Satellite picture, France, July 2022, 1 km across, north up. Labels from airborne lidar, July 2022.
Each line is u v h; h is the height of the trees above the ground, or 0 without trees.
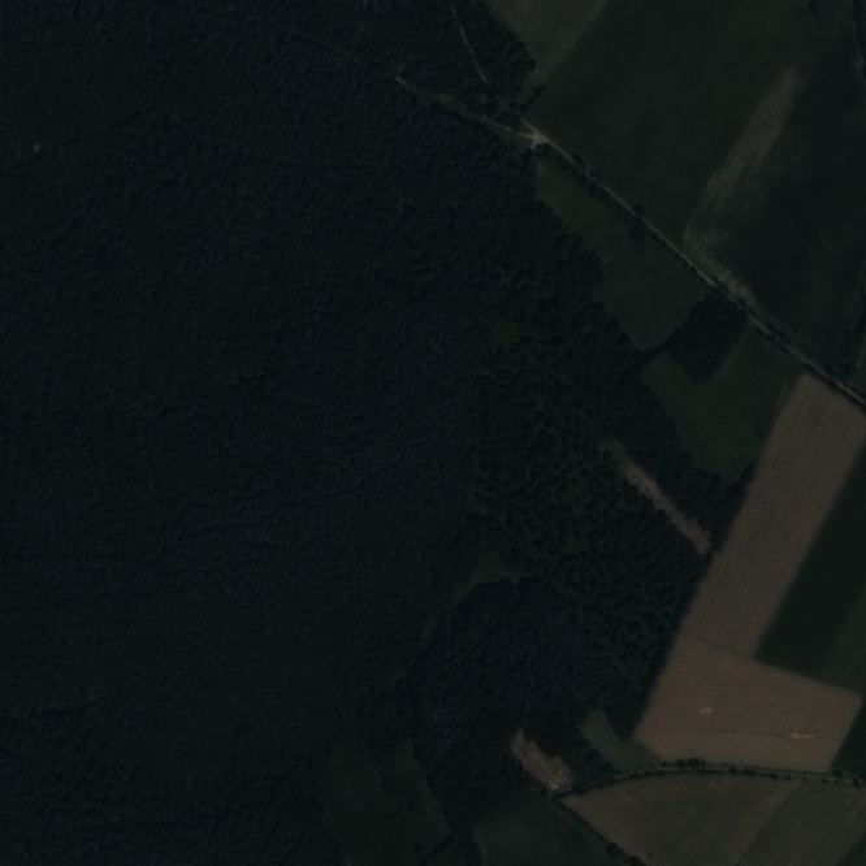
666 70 0
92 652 25
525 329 20
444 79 19
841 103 0
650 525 23
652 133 0
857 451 0
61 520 23
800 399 0
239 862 14
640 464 23
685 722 0
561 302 19
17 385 24
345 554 23
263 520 23
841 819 0
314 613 19
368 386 23
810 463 0
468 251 25
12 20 23
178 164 23
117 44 16
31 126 17
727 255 0
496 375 8
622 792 0
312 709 19
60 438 16
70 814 20
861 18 17
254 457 22
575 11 0
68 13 21
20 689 20
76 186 19
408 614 15
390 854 0
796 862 0
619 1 0
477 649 18
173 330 16
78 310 18
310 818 17
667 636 6
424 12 19
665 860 0
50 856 13
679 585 16
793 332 0
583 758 31
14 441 23
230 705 21
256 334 22
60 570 24
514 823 0
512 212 21
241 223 27
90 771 18
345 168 24
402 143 21
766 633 0
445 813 16
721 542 17
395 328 17
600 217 0
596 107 0
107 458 22
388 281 26
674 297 0
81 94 18
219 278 18
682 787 0
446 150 19
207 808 17
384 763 11
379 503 22
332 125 22
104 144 16
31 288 25
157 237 18
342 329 21
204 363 22
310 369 22
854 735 0
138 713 26
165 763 19
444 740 27
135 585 24
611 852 16
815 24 0
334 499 23
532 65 18
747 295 0
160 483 21
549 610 22
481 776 24
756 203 0
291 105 22
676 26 0
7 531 23
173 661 25
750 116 0
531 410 10
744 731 0
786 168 0
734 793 0
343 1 15
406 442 20
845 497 0
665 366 0
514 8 0
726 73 0
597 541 8
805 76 0
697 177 0
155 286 17
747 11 0
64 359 21
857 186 0
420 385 22
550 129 0
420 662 14
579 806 0
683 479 27
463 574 26
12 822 16
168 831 24
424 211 25
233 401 26
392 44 20
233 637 23
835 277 0
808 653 0
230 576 21
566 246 21
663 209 0
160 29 18
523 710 25
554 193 0
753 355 0
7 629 17
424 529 23
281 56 14
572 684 22
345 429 23
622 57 0
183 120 17
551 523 11
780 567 0
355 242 23
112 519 24
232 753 14
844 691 0
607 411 17
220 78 16
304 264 23
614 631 15
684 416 0
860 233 0
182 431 23
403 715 15
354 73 21
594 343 21
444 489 18
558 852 0
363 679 17
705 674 0
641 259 0
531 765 0
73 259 16
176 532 18
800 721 0
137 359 17
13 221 21
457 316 22
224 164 21
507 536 15
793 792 0
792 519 0
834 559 0
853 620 0
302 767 18
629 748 0
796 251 0
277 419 23
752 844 0
